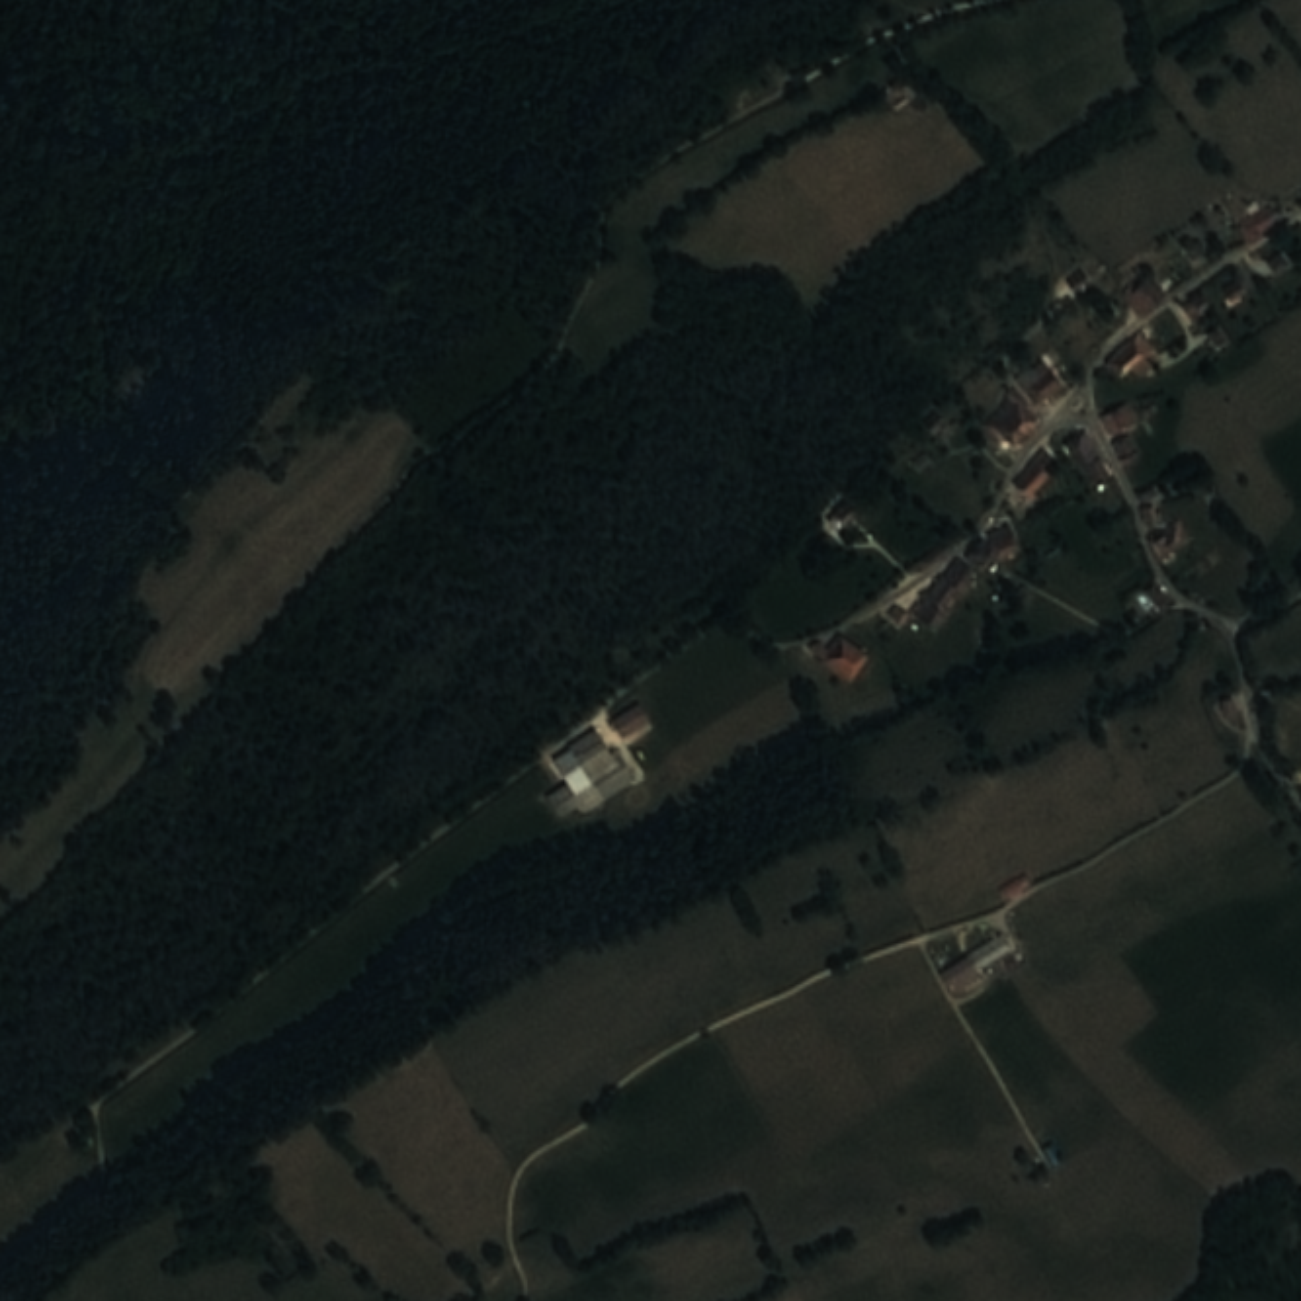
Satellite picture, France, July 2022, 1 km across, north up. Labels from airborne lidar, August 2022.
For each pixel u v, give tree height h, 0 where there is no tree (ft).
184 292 28
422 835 18
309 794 40
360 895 26
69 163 102
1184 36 30
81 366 37
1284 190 0
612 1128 0
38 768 47
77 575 23
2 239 61
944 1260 0
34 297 70
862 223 0
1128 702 45
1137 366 0
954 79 0
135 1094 0
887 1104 0
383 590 20
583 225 67
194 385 47
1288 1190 23
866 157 0
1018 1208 0
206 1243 24
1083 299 40
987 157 56
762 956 0
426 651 50
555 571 52
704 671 0
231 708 65
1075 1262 0
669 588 60
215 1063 0
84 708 42
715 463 73
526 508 25
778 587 0
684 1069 0
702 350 45
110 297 66
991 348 24
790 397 48
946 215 53
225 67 33
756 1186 0
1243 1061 0
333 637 48
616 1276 0
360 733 33
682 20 33
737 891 51
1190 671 0
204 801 30
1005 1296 0
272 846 22
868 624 0
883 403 73
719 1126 0
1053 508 24
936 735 0
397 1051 50
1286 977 0
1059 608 0
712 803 51
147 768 25
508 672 40
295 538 0
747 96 0
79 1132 47
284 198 65
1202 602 0
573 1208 0
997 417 0
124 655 22
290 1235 26
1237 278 32
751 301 45
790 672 0
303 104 52
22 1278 62
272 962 48
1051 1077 0
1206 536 0
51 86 53
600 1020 0
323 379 34
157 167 60
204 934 45
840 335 70
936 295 36
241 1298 0
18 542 110
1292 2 0
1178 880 0
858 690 0
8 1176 0
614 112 79
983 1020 0
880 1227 0
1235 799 0
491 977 44
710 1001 0
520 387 46
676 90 39
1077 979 0
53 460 76
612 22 33
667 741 0
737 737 0
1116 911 0
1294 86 0
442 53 44
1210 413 0
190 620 0
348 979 0
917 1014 0
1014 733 0
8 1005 24
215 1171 52
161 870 36
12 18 59
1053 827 0
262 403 29
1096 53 0
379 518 45
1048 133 0
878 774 0
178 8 52
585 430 49
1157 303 0
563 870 78
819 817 47
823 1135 0
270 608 0
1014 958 0
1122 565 0
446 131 40
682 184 0
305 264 41
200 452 74
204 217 33
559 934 53
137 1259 0
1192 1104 0
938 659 0
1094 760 0
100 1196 74
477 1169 0
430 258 40
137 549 23
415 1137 0
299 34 94
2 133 83
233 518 0
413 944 93
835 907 42
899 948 0
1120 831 0
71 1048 70
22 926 26
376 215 56
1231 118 0
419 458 23
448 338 55
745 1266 0
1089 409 0
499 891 90
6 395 100
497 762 53
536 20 45
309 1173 0
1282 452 0
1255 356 0
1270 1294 47
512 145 38
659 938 0
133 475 68
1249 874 0
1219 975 0
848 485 75
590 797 0
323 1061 55
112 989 53
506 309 20
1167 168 0
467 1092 0
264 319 21
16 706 83
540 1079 0
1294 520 0
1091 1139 0
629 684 38
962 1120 0
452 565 25
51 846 0
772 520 54
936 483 0
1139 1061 0
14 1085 63
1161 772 0
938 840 0
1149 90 39
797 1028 0
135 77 47
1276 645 0
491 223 26
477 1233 0
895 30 30
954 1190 0
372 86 61
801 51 26
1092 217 0
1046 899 0
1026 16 0
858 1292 0
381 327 23
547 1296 0
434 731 71
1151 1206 0
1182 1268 0
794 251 0
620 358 56
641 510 53
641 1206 0
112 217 63
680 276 59
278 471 23
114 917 62
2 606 112
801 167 0
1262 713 58
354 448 0
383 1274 0
